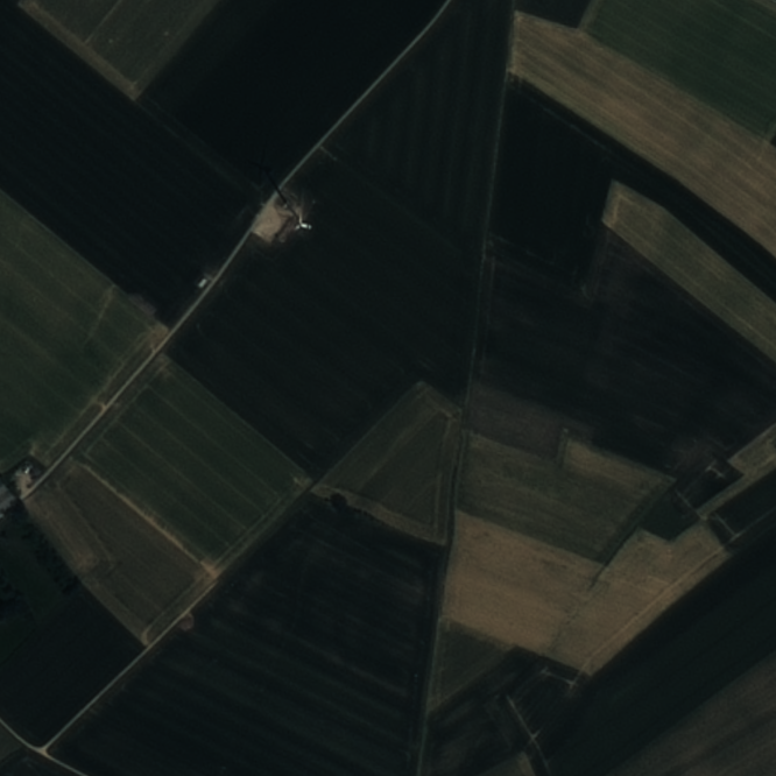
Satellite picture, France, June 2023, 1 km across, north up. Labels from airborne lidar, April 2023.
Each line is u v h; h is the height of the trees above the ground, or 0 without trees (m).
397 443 0
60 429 0
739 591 0
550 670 0
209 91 0
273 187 0
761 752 0
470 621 0
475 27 0
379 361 0
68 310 0
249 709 0
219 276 0
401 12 0
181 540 0
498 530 0
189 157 0
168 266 0
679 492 0
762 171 0
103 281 0
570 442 0
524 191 0
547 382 0
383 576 0
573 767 0
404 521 0
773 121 0
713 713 0
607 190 0
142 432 0
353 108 0
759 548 0
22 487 0
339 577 0
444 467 0
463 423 0
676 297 0
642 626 0
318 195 0
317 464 0
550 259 0
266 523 0
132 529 0
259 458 0
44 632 0
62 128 0
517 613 0
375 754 0
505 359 0
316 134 0
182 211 0
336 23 0
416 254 0
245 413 0
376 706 0
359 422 0
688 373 0
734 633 0
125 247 0
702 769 0
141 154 0
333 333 0
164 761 0
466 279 0
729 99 0
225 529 0
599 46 0
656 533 0
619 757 0
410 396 0
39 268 0
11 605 13
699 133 0
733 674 0
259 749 0
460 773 0
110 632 0
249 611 0
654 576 0
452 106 0
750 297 0
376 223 0
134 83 0
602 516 0
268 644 0
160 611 0
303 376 0
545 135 0
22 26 0
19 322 0
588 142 0
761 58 0
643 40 0
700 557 0
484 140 0
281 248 0
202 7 0
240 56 0
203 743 0
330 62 0
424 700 0
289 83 0
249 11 0
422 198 0
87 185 0
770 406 0
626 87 0
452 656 0
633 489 0
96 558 0
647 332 0
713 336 0
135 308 0
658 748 0
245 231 0
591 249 0
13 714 0
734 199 0
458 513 0
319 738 0
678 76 0
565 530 0
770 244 0
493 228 0
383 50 0
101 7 0
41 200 0
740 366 0
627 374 0
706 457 0
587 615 0
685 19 0
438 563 0
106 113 0
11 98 0
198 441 0
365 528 0
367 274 0
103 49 0
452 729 0
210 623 0
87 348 0
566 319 0
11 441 0
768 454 0
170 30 0
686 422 0
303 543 0
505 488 0
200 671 0
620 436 0
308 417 0
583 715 0
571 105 0
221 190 0
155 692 0
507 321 0
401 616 0
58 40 0
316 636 0
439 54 0
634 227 0
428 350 0
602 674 0
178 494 0
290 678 0
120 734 0
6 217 0
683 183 0
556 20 0
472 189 0
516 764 0
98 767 0
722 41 0
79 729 0
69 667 0
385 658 0
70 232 0
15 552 0
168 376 0
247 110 0
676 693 0
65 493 0
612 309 0
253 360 0
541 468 0
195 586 0
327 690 0
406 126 0
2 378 0
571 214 0
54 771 0
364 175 0
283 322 0
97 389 0
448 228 0
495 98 0
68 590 9
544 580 0
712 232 0
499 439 0
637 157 0
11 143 0
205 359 0
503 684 0
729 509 0
